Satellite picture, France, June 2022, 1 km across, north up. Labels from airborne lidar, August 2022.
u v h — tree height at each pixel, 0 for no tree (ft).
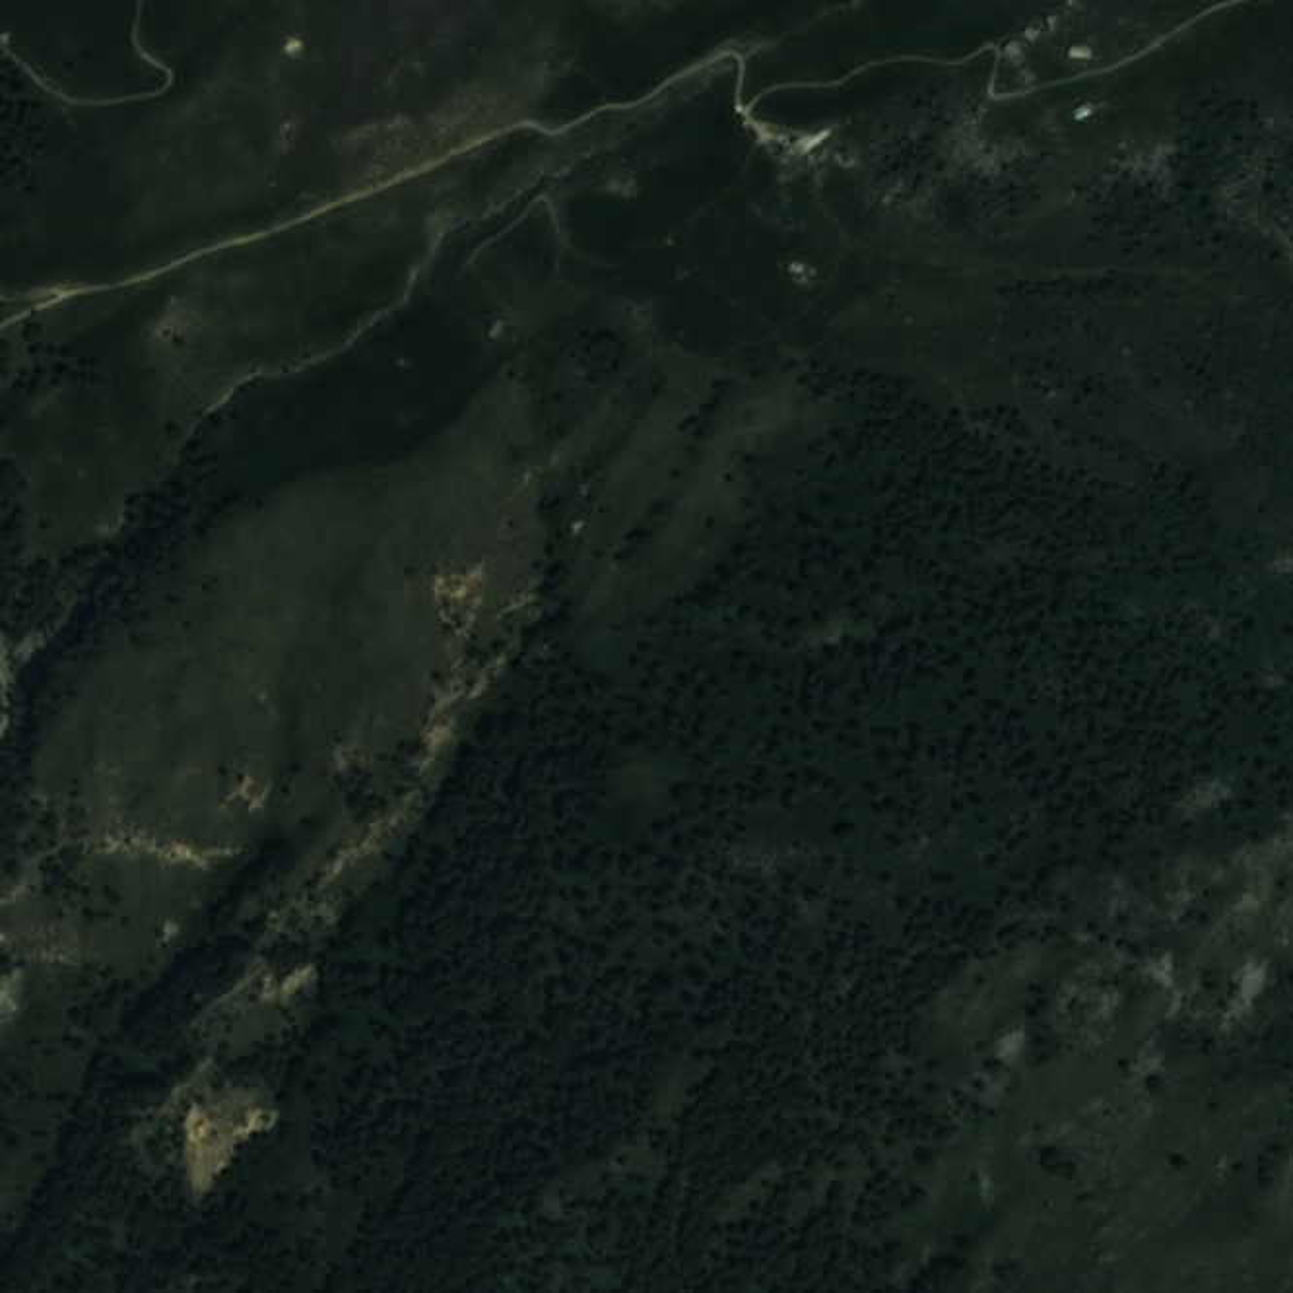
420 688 0
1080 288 29
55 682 73
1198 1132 0
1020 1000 0
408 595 0
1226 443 0
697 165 0
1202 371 29
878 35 0
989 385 0
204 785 0
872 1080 52
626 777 0
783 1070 73
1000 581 25
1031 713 21
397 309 0
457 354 0
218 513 44
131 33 0
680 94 0
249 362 0
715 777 27
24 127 33
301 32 0
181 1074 52
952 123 28
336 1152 97
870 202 0
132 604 67
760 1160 70
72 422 0
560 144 0
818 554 52
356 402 0
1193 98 0
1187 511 32
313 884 47
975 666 30
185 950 0
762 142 0
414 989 87
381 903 0
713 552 0
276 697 0
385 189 0
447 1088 49
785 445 0
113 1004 49
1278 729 47
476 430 0
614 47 0
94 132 0
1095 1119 0
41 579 77
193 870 0
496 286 0
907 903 55
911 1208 71
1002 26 0
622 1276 50
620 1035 88
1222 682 26
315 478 0
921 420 40
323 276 0
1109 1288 0
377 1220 76
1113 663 34
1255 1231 0
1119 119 0
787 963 66
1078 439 23
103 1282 0
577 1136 78
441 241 0
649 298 0
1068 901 43
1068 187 0
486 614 0
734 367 0
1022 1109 0
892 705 71
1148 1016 0
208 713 0
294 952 90
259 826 0
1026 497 36
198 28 0
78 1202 59
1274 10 0
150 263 0
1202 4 0
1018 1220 0
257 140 0
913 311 0
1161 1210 0
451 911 89
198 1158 0
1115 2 0
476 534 0
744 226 0
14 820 54
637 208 0
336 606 0
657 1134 66
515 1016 88
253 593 0
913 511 42
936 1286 62
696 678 34
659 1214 74
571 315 0
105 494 0
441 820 86
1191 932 0
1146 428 0
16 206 0
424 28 0
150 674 0
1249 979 0
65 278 0
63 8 0
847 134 0
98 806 0
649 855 67
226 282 0
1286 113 0
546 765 91
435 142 0
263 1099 0
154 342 0
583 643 0
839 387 25
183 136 0
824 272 0
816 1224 79
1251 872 0
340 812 0
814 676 73
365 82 0
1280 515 0
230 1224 74
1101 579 36
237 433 0
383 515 0
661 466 0
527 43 0
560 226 0
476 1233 78
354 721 0
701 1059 62
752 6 0
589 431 0
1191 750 47
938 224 0
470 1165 62
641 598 0
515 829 83
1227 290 0
